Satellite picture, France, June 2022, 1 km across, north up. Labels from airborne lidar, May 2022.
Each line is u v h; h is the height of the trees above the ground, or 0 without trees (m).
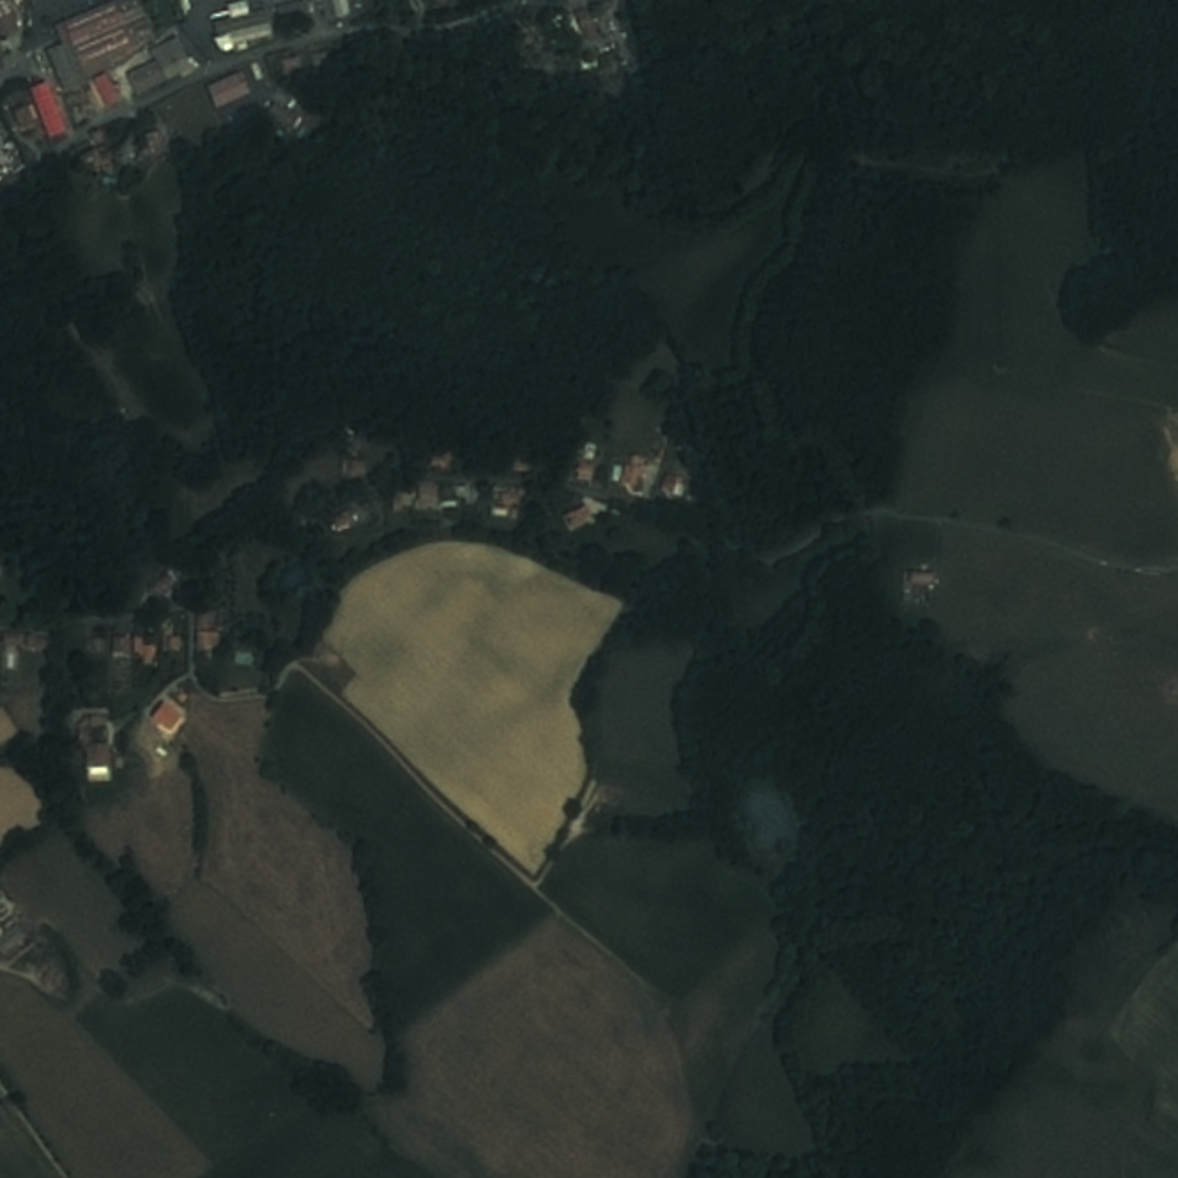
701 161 21
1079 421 0
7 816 0
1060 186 0
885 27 22
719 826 16
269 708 11
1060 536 0
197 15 0
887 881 21
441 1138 0
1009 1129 0
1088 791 18
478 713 0
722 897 0
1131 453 0
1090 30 19
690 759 21
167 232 0
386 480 20
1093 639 0
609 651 11
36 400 10
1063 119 17
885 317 21
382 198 13
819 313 18
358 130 8
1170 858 24
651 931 0
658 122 23
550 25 17
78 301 14
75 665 18
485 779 0
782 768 19
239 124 9
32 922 0
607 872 0
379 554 8
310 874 0
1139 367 0
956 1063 22
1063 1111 0
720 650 19
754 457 21
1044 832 8
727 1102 0
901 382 18
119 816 0
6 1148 0
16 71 0
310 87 17
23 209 14
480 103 23
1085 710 0
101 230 0
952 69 19
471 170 19
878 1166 15
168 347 0
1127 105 18
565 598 0
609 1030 0
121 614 16
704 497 19
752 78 22
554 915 0
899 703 19
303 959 0
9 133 6
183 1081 0
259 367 25
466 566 0
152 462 11
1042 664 0
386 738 0
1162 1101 0
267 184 25
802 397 19
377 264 15
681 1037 0
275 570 11
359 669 0
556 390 24
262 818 0
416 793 0
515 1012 0
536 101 24
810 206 10
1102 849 9
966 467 0
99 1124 0
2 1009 0
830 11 20
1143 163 22
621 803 0
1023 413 0
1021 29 23
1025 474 0
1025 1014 21
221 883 0
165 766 0
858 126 23
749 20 20
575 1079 0
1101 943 0
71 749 11
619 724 0
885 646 15
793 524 9
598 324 20
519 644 0
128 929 12
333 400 24
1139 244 25
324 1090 19
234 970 0
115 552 22
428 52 19
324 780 0
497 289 17
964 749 19
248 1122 0
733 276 0
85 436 11
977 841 24
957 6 21
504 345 24
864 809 14
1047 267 0
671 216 13
